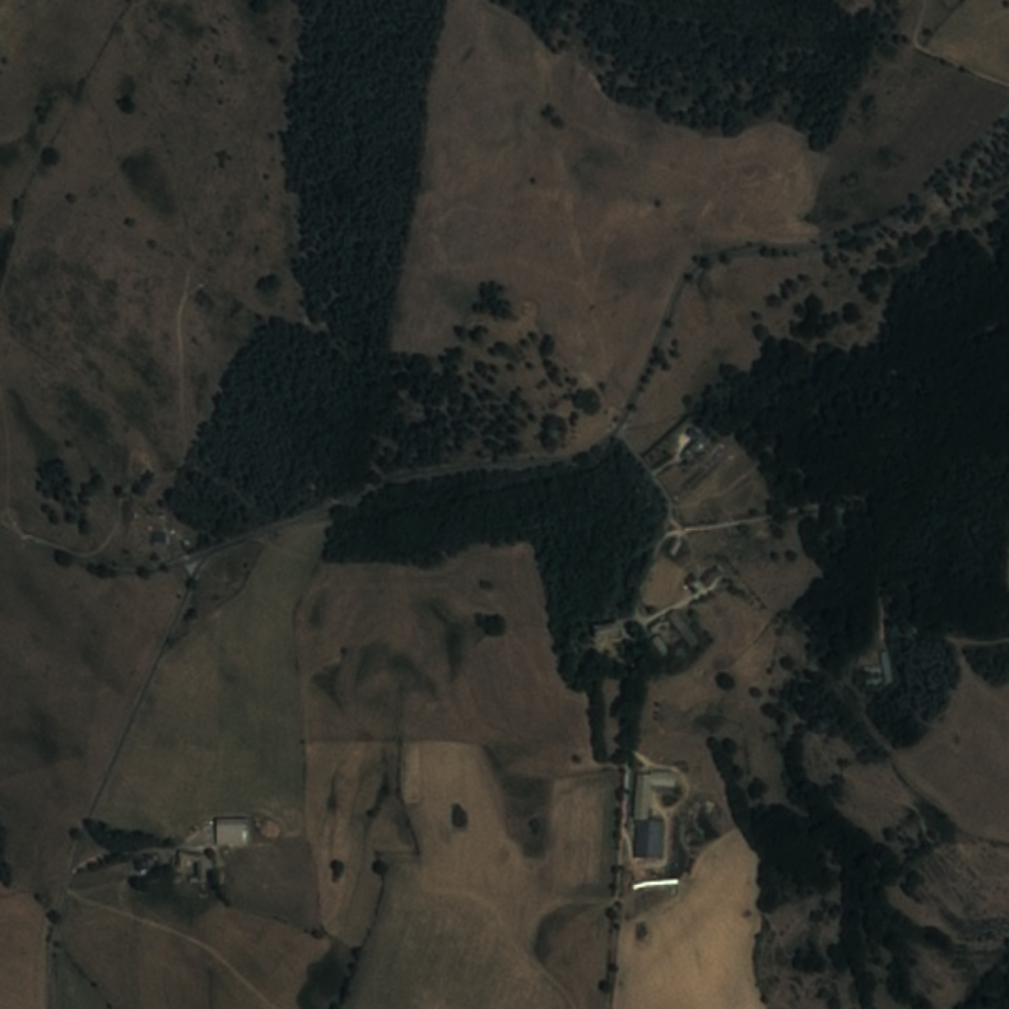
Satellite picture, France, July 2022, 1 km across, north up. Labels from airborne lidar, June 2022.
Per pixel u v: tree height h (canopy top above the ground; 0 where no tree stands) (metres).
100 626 0
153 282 0
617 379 0
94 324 0
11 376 0
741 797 17
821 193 0
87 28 0
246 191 0
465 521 14
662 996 0
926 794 0
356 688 0
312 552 0
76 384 0
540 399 0
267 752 0
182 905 0
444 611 0
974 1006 16
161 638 0
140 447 0
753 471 0
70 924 0
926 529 15
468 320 0
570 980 0
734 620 0
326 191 13
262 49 0
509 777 0
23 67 0
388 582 0
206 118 0
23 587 0
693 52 18
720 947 0
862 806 0
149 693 0
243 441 16
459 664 0
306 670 0
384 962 0
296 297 0
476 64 0
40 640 0
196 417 0
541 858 0
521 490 13
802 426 20
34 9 0
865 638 20
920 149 0
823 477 24
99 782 0
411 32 20
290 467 12
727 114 9
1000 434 21
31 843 0
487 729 0
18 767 0
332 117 19
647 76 11
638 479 10
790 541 0
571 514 13
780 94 11
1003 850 0
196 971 0
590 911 0
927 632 18
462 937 0
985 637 10
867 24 13
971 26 0
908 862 6
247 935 0
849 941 18
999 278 20
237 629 0
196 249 0
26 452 0
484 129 0
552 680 0
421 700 0
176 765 0
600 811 0
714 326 0
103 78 0
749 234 0
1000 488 13
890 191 0
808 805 14
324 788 0
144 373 0
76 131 0
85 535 11
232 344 0
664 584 0
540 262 0
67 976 0
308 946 0
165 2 0
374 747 0
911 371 20
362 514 9
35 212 0
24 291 0
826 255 9
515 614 0
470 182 0
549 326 0
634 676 22
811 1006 0
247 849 0
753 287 0
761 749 0
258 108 0
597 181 0
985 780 0
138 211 0
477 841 0
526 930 0
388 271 17
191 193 0
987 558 12
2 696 0
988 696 0
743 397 12
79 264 0
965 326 24
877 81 0
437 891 0
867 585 24
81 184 0
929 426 21
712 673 0
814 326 12
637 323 0
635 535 13
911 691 15
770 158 0
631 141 0
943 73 0
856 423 21
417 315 0
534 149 0
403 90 18
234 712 0
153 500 0
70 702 0
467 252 0
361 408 20
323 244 16
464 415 11
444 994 0
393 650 0
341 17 16
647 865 0
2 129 0
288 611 0
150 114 0
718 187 0
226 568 0
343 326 20
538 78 0
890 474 21
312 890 0
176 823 0
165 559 0
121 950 0
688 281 10
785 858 22
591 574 21
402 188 21
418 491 13
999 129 11
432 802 0
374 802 0
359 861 0
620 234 0
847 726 17
